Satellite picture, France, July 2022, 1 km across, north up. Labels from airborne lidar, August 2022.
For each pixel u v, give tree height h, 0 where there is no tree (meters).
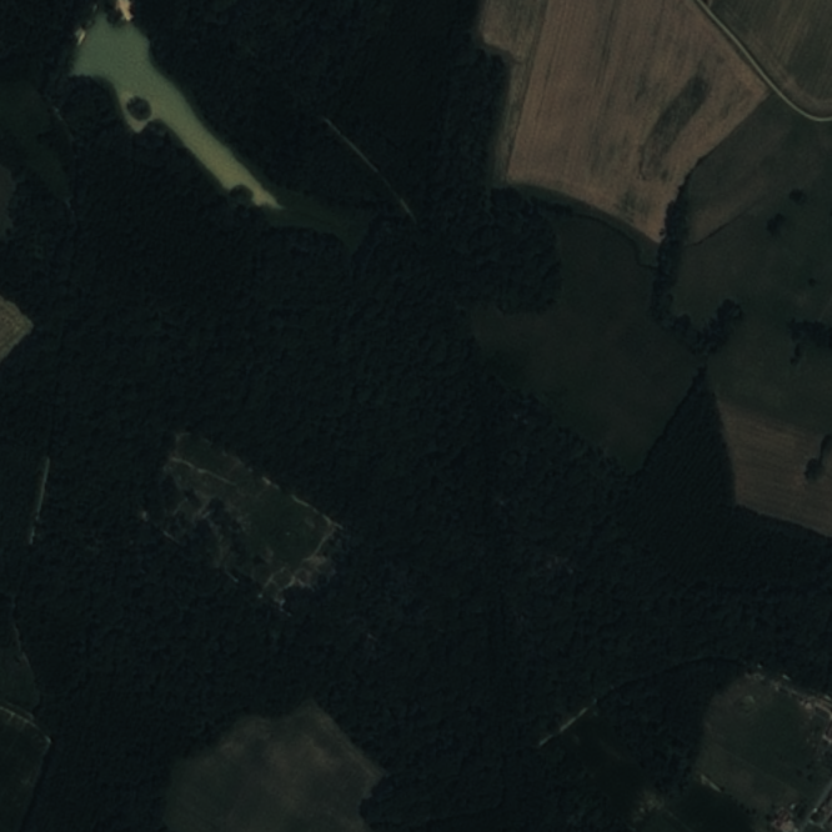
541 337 0
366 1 25
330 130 14
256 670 18
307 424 22
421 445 14
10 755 0
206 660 23
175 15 24
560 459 19
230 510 22
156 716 14
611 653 22
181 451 0
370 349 14
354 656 28
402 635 24
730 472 19
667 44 0
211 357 22
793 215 0
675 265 21
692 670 17
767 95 0
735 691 0
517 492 24
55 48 6
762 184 0
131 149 20
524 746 16
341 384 19
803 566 11
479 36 0
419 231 22
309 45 30
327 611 26
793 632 28
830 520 0
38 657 7
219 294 23
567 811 21
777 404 0
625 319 0
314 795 0
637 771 0
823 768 0
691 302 0
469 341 14
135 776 17
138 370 18
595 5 0
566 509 21
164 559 20
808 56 0
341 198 19
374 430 17
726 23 0
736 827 0
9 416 18
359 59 16
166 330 18
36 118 0
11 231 10
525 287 26
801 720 0
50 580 23
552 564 12
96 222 23
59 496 13
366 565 23
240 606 22
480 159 22
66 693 8
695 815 0
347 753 0
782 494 0
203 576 22
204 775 0
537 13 0
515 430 18
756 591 20
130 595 18
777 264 0
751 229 0
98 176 21
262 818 0
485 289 21
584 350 0
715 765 0
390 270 24
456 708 29
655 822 0
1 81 9
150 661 26
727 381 0
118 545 12
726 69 0
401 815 25
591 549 21
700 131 0
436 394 17
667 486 14
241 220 16
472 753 21
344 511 21
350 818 0
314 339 19
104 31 0
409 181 23
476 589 26
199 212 20
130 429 20
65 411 15
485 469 17
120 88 0
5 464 17
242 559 21
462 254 25
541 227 20
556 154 0
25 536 16
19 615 19
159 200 23
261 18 21
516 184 0
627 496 12
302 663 21
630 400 0
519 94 0
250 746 0
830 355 0
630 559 19
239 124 11
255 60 11
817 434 0
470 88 27
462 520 23
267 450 19
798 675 26
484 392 21
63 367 21
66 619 9
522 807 23
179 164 23
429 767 23
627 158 0
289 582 0
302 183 22
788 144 0
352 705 20
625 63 0
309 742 0
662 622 15
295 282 21
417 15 8
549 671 25
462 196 21
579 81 0
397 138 8
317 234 16
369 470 19
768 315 0
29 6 8
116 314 19
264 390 21
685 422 14
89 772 15
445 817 16
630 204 0
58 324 15
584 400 0
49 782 14
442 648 21
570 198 0
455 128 15
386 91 6
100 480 13
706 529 12
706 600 22
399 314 19
